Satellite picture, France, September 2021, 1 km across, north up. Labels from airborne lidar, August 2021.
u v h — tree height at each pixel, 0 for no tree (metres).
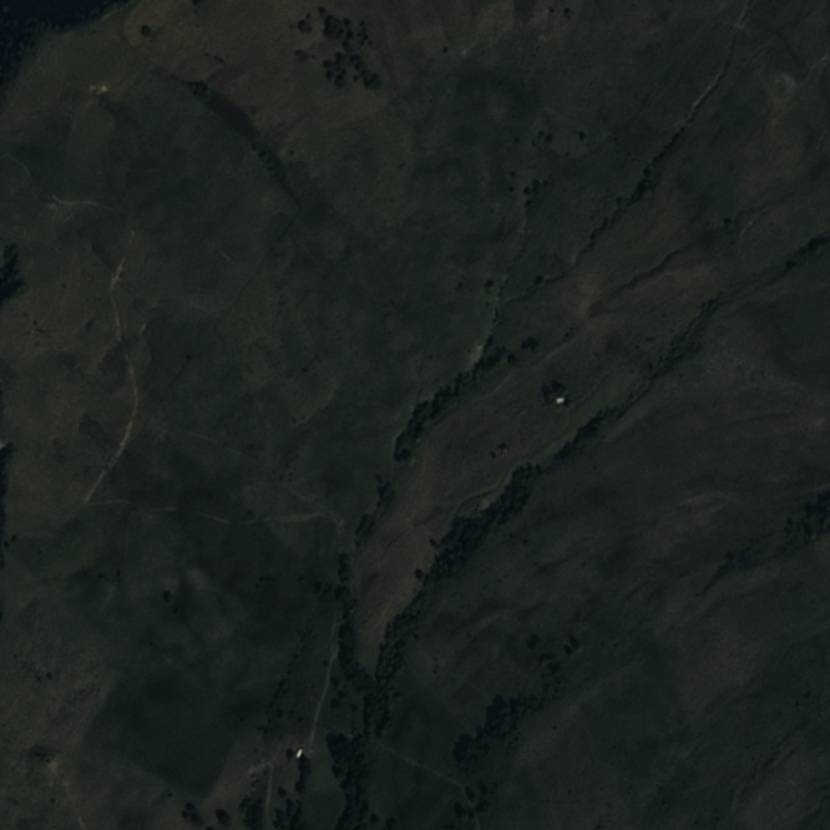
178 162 0
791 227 0
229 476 0
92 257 0
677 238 0
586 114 0
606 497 0
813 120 0
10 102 0
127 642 0
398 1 0
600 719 0
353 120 0
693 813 0
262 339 0
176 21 0
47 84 0
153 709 0
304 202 0
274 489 0
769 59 0
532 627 0
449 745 0
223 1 0
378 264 0
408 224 0
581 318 0
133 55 0
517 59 0
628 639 0
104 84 0
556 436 0
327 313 0
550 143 8
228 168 0
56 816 0
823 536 0
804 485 0
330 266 0
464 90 0
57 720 0
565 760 0
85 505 0
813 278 0
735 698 0
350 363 0
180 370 0
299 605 0
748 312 0
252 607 0
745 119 0
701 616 0
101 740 0
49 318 0
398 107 0
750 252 0
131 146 0
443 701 0
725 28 0
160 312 0
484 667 0
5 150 0
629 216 0
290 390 0
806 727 0
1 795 0
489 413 0
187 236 0
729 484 0
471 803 12
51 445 0
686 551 0
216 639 0
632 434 0
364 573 0
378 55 0
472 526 10
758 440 0
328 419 0
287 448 0
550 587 0
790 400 0
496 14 0
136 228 0
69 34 9
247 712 0
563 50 0
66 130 0
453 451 0
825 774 0
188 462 0
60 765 0
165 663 0
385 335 0
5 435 0
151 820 0
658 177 0
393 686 12
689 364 0
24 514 0
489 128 0
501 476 0
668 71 0
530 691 0
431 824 0
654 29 0
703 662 0
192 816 8
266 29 0
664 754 0
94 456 0
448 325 0
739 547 0
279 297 0
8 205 0
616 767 0
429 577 9
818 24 0
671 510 0
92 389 0
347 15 0
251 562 0
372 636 0
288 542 0
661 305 0
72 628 0
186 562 0
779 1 0
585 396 0
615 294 0
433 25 0
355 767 16
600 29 0
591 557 0
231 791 0
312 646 0
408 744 0
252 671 0
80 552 0
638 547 0
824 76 0
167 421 0
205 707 0
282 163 0
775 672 0
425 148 0
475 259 0
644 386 0
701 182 0
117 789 0
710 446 0
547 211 0
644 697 0
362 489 0
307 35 8
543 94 0
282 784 0
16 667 0
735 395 0
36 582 0
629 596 0
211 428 0
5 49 19
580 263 0
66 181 0
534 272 0
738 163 0
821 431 0
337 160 0
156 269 0
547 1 0
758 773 0
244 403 0
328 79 10
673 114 0
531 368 0
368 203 0
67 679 0
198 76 0
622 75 0
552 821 0
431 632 0
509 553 0
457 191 0
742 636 0
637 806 0
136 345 0
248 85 0
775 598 0
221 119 0
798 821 0
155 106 0
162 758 0
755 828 0
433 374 0
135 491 0
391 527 0
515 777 0
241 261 0
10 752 0
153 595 0
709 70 0
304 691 0
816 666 0
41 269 0
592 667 0
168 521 0
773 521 0
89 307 0
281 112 0
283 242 0
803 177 0
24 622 0
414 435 13
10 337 0
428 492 0
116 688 0
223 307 0
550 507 0
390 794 0
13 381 0
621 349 0
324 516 0
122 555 0
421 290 0
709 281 0
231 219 0
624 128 0
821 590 0
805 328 0
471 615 0
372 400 0
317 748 0
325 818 0
